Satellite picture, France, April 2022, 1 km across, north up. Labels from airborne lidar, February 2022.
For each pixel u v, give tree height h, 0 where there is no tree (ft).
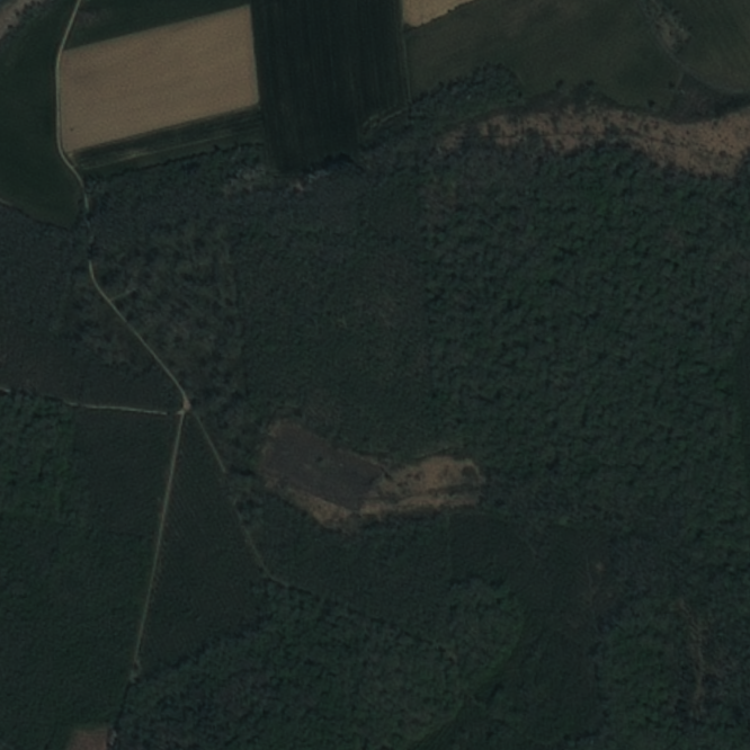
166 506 0
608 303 93
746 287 88
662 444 81
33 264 60
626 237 76
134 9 0
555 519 98
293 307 50
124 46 0
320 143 0
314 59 0
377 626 69
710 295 99
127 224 82
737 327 85
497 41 0
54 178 0
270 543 54
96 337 94
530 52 0
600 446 83
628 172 74
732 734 81
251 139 0
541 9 0
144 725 76
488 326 81
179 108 0
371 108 0
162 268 93
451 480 0
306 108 0
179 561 21
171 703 63
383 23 0
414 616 57
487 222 86
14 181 0
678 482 90
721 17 0
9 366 23
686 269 80
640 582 93
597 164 77
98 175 0
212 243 75
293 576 55
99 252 67
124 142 0
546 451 68
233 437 101
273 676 68
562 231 77
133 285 85
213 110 0
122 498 22
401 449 56
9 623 41
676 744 71
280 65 0
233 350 89
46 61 0
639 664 80
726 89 0
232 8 0
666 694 66
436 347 78
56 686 47
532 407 96
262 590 47
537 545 31
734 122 0
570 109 0
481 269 75
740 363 27
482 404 94
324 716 57
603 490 93
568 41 0
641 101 0
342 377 48
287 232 67
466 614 93
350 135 0
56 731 44
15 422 86
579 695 23
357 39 0
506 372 93
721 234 87
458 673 97
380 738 80
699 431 85
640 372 72
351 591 62
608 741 78
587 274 93
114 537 42
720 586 93
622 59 0
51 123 0
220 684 77
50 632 49
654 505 86
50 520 41
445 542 56
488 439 96
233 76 0
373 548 64
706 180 54
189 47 0
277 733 65
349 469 0
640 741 89
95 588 47
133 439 20
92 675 48
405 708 98
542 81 0
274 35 0
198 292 93
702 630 0
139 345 0
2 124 0
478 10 0
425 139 41
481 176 83
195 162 37
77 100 0
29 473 94
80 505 54
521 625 85
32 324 34
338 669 79
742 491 78
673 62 0
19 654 44
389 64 0
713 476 87
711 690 31
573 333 88
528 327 77
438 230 95
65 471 55
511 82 31
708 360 75
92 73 0
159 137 0
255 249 54
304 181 39
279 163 0
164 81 0
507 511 67
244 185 58
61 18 0
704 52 0
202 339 88
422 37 0
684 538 73
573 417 86
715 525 87
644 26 0
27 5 0
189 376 0
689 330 68
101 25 0
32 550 44
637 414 105
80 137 0
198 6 0
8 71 0
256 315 60
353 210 72
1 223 56
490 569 31
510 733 84
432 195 74
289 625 81
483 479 0
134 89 0
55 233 65
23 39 0
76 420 26
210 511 20
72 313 0
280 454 0
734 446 65
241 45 0
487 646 95
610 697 90
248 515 78
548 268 94
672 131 0
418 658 89
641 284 75
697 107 0
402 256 58
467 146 20
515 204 71
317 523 27
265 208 84
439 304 62
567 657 25
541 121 0
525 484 78
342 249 85
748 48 0
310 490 0
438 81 0
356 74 0
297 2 0
